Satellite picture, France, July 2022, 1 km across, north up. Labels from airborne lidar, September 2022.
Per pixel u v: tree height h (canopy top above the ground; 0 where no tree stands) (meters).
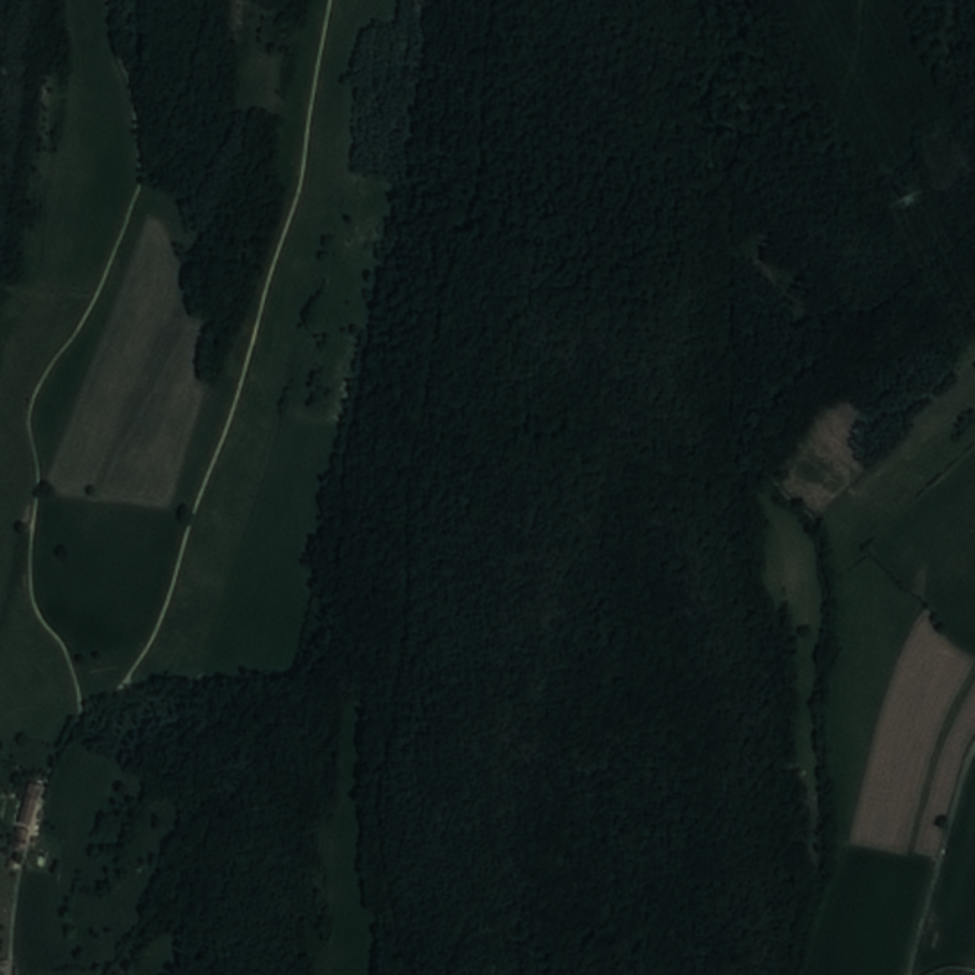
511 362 9
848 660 0
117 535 0
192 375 0
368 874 18
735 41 21
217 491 0
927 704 0
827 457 0
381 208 0
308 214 0
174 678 14
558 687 17
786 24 16
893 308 23
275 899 8
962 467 0
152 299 0
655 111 17
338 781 21
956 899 0
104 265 0
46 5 14
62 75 11
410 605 11
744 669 17
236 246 19
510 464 16
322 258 10
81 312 0
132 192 0
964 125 13
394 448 19
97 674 0
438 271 20
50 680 0
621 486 17
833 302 15
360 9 0
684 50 13
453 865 12
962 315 18
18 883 0
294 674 13
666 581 16
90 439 0
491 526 14
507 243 19
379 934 22
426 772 14
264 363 0
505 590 8
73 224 0
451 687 9
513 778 11
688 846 19
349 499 18
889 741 0
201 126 12
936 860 0
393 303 20
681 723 19
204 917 16
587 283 14
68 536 0
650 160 16
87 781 0
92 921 0
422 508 14
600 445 13
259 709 22
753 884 11
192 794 15
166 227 0
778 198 13
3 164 7
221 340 18
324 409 0
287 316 0
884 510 0
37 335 0
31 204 16
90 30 0
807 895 20
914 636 0
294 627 0
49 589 0
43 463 0
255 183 13
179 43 13
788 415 25
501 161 17
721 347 16
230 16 16
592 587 14
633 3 22
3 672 0
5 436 0
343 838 0
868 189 17
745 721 15
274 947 8
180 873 13
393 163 10
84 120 0
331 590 18
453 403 15
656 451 14
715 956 13
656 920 18
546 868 18
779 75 14
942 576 0
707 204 21
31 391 0
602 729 20
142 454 0
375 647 21
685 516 14
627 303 15
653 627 19
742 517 16
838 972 0
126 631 0
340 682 25
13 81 6
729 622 14
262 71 0
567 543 12
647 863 15
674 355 10
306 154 0
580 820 16
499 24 20
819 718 17
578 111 16
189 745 16
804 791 21
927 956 0
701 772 15
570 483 10
